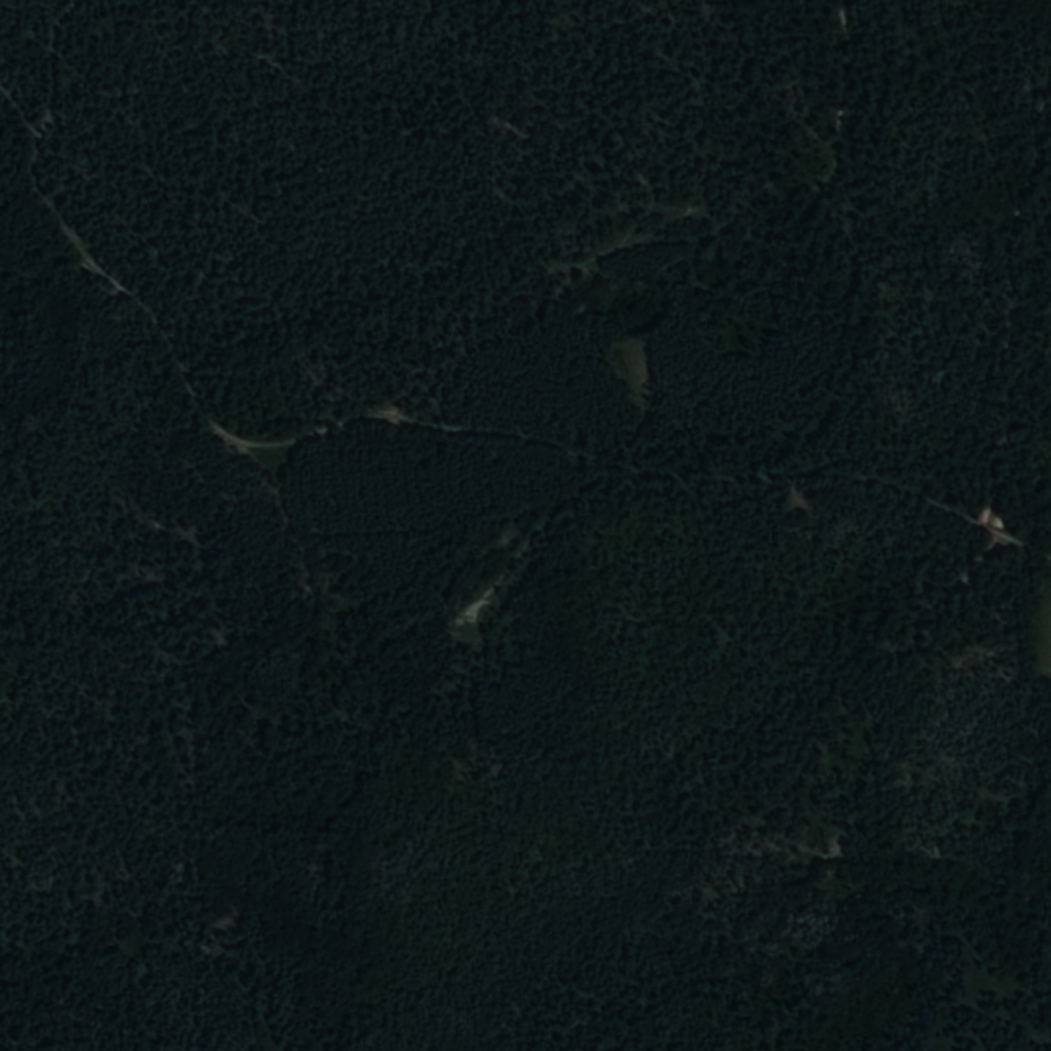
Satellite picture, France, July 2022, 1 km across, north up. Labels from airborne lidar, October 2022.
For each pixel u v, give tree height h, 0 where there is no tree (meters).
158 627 33
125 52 17
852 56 32
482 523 18
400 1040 19
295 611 26
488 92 23
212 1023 20
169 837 11
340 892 29
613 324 24
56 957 18
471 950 17
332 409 20
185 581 31
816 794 13
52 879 23
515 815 17
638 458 15
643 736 18
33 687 19
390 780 18
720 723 12
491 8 17
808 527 18
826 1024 25
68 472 25
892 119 25
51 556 28
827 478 28
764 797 18
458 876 12
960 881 20
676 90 21
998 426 24
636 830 17
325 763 18
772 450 12
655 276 19
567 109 19
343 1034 15
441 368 23
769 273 26
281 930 25
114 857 16
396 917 16
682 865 22
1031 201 28
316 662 31
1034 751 24
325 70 19
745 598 18
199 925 22
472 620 0
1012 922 22
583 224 18
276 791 26
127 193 17
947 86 7
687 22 18
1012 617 18
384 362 11
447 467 24
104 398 23
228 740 27
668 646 19
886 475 23
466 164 24
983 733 19
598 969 20
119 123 11
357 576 21
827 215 19
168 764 13
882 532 21
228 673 30
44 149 27
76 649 14
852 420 30
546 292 11
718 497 13
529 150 30
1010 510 27
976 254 13
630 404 19
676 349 24
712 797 28
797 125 9
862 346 15
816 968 10
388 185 22
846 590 16
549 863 9
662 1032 20
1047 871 20
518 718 28
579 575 21
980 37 19
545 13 16
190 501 14
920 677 17
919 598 21
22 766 25
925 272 23
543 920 16
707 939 11
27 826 21
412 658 16
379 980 25
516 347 22
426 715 19
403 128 22
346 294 23
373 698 29
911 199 22
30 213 20
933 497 24
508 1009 24
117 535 20
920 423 23
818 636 13
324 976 20
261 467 11
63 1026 24
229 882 26
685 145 13
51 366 20
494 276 23
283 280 19
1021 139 21
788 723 9
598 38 14
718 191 22
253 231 18
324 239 20
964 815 15
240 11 19
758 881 16
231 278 20
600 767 20
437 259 28
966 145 20
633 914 22
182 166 14
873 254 31
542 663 22
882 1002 7
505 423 24
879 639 23
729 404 26
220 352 19
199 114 18
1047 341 7
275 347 25
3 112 9
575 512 10
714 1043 10
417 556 20
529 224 27
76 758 23
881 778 23
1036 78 18
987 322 6
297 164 29
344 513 23
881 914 27
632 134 21
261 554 9
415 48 17
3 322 13
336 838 26
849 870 28
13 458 25
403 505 23
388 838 19
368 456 23
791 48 24
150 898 17
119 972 24
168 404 21
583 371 25
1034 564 16
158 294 17
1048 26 23
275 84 25
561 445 20
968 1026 22
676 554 17
